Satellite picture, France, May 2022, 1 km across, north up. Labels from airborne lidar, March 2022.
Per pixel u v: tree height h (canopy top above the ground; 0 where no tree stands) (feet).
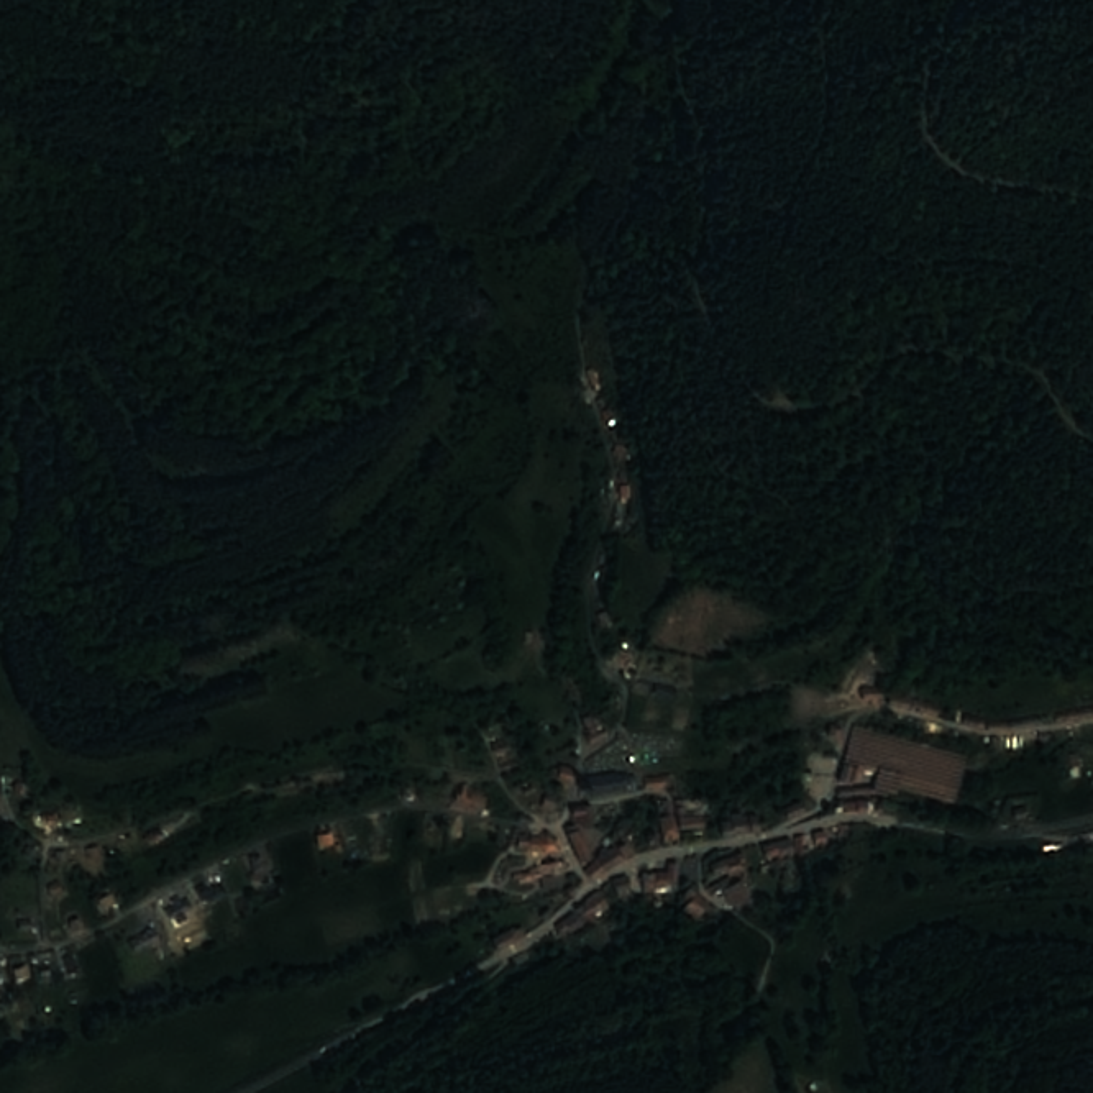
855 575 69
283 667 0
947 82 49
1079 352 67
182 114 83
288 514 90
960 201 55
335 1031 0
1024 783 0
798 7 56
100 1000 0
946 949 38
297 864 0
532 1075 56
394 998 0
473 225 21
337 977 55
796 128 67
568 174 54
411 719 25
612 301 62
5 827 70
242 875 0
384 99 102
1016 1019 50
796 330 70
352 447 98
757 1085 0
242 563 73
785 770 47
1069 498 65
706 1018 40
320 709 0
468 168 85
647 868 0
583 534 59
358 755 49
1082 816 0
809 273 71
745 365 73
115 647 75
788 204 71
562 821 0
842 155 53
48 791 36
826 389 68
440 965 0
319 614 22
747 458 64
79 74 61
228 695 88
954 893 0
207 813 31
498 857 0
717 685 0
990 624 41
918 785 0
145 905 0
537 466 0
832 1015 59
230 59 66
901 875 0
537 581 0
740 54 79
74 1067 0
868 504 92
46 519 92
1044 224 49
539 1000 20
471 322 62
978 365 50
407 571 20
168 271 37
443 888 0
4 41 67
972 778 34
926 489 111
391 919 0
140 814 22
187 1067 0
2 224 33
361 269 80
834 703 0
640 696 0
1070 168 57
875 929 0
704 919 41
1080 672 25
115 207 66
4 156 120
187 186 39
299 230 48
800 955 0
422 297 106
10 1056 66
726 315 93
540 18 105
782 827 0
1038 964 43
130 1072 0
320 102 59
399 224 21
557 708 0
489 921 25
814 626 60
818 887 34
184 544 83
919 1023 50
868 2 33
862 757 0
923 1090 67
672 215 30
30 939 0
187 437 85
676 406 85
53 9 61
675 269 98
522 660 0
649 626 54
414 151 70
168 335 51
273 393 41
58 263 54
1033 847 0
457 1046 23
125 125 98
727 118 72
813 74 46
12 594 107
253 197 76
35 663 88
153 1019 60
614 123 111
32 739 0
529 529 0
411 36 51
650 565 0
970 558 64
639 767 0
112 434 93
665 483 55
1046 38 48
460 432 41
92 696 85
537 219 54
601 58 73
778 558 51
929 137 28
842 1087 0
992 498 76
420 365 74
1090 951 31
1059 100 39
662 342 52
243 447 77
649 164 105
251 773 0
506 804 0
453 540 40
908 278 72
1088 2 36
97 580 96
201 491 84
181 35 62
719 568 47
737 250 81
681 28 88
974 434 58
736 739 55
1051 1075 40
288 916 0
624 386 40
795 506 44
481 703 24
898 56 47
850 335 52
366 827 0
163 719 86
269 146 44
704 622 0
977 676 49
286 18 57
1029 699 0
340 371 81
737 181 71
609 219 94
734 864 0
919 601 73
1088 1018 66
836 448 36
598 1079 32
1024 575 63
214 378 35
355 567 38
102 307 63
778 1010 0
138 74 63
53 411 69
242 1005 0
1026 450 84
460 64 68
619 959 29
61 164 52
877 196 60
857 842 0
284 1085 0
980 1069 65
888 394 35
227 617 81
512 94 69
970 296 64
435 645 0
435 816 0
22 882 0
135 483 92
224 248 33
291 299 30
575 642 18
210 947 34
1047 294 58
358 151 43
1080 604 32
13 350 57
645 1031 39
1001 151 40
